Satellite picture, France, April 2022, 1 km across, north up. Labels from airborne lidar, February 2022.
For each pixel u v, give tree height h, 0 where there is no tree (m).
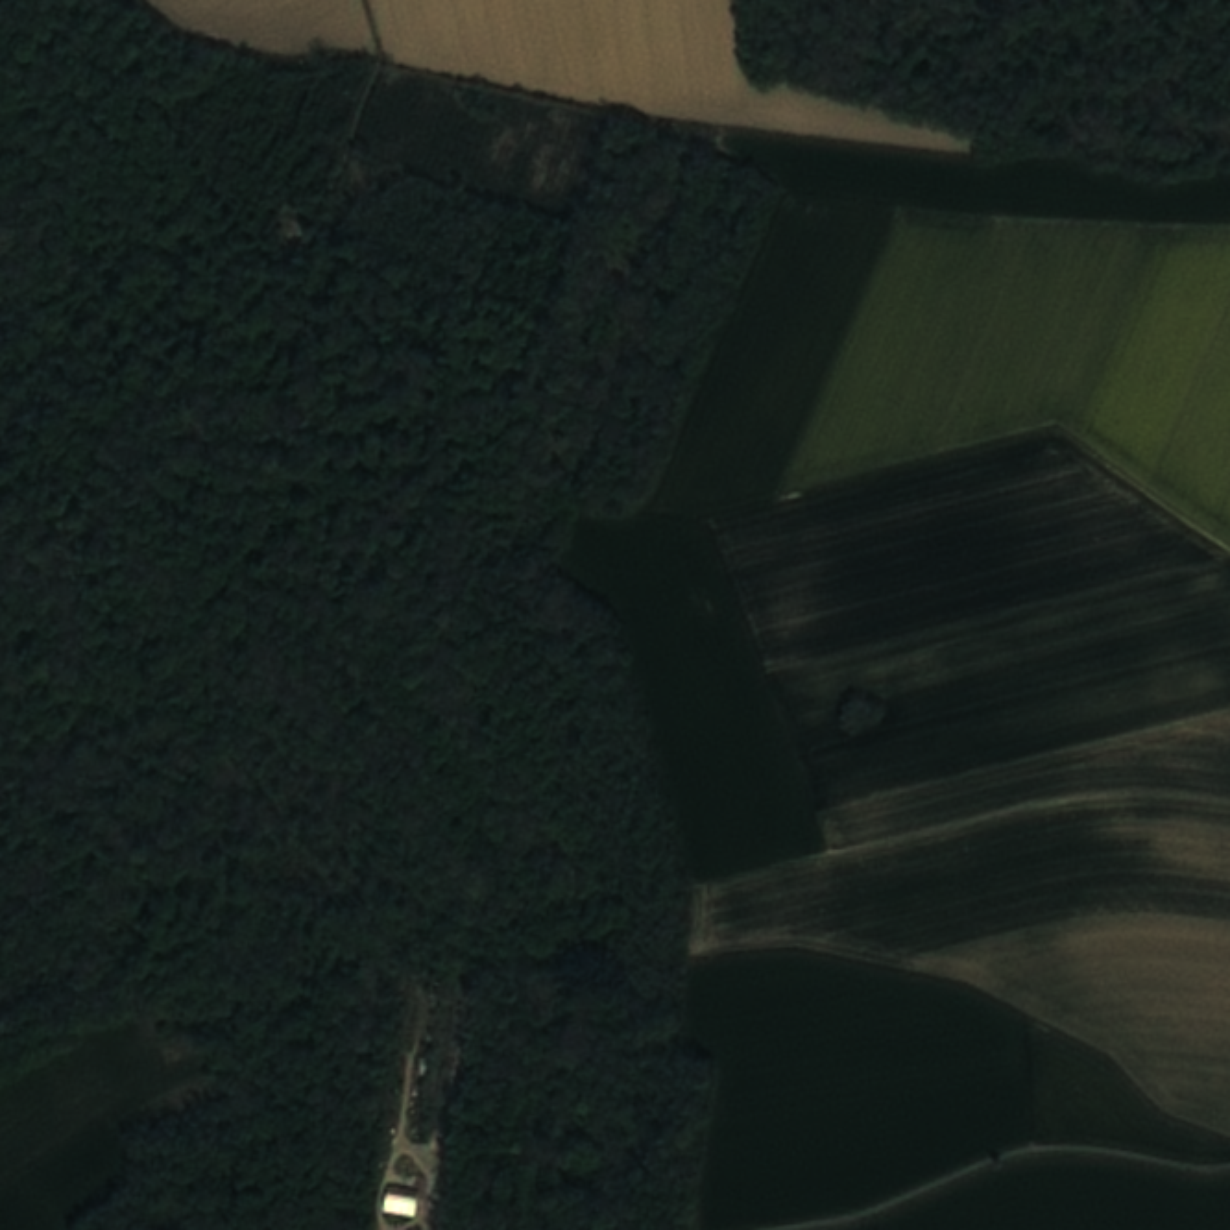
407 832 24
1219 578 0
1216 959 0
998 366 0
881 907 0
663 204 28
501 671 25
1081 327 0
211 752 27
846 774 0
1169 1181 0
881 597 0
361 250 22
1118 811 0
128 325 21
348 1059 27
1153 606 0
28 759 24
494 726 21
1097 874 0
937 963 0
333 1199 24
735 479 0
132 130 29
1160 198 0
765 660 0
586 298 28
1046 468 0
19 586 25
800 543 0
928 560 0
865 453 0
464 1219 24
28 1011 22
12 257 24
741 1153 0
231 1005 28
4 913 20
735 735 0
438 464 25
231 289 26
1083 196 0
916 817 0
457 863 26
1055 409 0
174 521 26
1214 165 20
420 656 25
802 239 0
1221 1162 0
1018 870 0
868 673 0
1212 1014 0
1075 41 11
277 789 22
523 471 26
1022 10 28
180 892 25
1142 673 0
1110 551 0
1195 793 0
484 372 28
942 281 0
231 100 11
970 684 0
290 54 0
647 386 30
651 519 0
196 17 0
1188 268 0
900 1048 0
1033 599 0
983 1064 0
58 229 27
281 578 25
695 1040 0
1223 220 0
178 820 27
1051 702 0
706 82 0
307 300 21
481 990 27
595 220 25
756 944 0
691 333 29
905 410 0
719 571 0
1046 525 0
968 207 0
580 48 0
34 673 31
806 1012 0
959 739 0
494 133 0
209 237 7
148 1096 0
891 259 0
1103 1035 0
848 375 0
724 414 0
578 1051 31
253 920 28
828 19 33
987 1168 0
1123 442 0
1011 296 0
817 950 0
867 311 0
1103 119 26
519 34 0
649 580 0
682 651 0
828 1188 0
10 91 27
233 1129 25
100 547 24
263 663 26
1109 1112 0
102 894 26
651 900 24
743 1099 0
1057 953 0
